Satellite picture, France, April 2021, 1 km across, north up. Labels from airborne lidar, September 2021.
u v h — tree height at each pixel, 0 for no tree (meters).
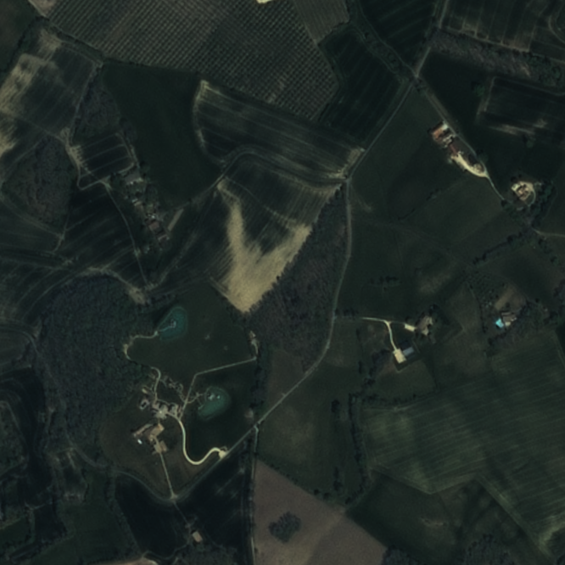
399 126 0
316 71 6
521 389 0
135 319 17
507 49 0
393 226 0
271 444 0
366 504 0
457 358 0
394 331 0
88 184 0
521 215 13
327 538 0
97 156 0
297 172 0
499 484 0
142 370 11
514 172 0
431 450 0
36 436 0
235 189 0
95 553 0
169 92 0
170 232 0
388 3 0
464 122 0
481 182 0
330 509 0
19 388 0
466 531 0
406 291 0
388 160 0
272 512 0
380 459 0
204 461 0
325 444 0
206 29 9
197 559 15
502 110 0
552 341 0
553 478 0
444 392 0
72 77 0
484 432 0
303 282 14
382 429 0
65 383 20
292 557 0
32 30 12
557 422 0
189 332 0
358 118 0
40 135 0
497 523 0
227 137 0
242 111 0
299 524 17
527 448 0
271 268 0
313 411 0
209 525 0
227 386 0
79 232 0
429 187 0
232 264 0
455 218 0
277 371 0
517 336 16
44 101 0
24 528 0
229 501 0
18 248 0
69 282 0
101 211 0
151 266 0
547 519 0
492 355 0
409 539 0
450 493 0
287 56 10
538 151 0
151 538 0
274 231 0
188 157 0
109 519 0
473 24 0
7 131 0
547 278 0
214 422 0
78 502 16
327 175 0
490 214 0
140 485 0
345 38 0
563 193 0
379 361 20
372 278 0
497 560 8
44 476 0
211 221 0
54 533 0
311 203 0
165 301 12
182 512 0
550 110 0
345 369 0
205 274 0
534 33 0
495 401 0
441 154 0
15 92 0
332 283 17
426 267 0
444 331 0
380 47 10
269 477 0
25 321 0
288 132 0
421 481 0
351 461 0
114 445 0
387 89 0
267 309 15
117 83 0
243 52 9
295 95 7
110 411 21
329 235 15
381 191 0
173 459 0
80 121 8
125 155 0
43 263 0
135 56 7
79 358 21
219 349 0
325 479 0
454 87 0
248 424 0
